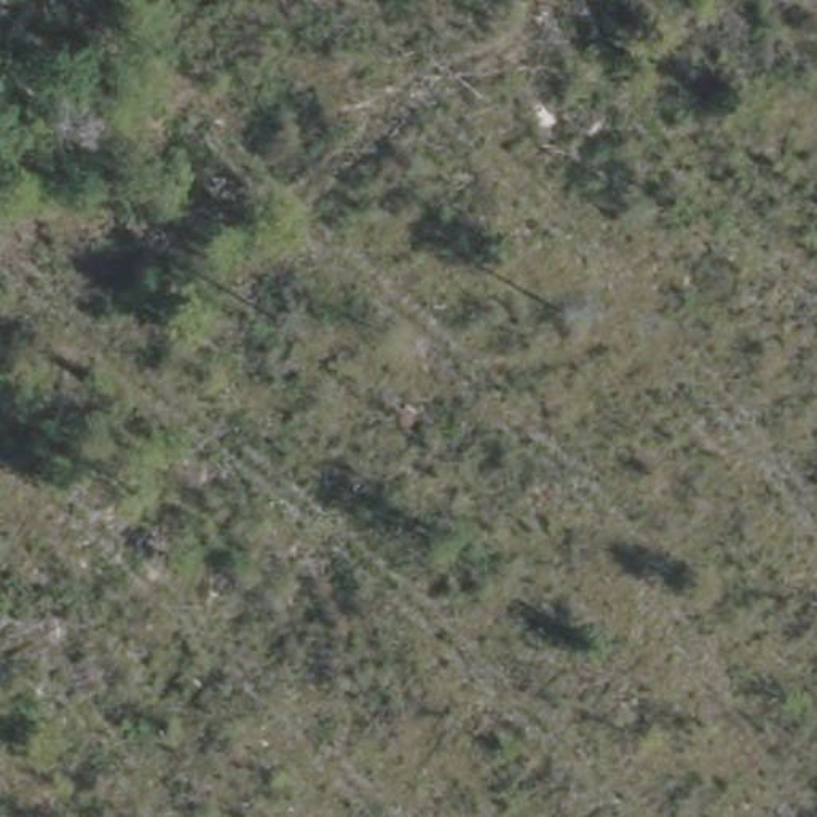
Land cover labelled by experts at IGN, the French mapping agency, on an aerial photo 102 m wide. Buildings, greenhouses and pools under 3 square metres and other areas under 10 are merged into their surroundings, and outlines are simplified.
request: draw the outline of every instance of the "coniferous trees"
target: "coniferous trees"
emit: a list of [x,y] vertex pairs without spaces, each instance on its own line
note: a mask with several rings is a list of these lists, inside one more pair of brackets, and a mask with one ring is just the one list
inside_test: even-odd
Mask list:
[[176,156],[176,150],[182,150],[188,156],[188,166],[211,150],[223,166],[230,166],[243,179],[255,214],[268,211],[271,198],[284,198],[287,207],[300,204],[306,211],[306,249],[290,252],[274,265],[262,265],[255,255],[249,262],[236,259],[230,268],[217,268],[211,252],[201,252],[195,259],[195,281],[172,284],[169,294],[182,294],[185,303],[207,297],[207,313],[214,313],[217,322],[201,345],[188,345],[169,335],[169,354],[163,367],[153,370],[134,364],[137,351],[147,345],[147,332],[134,316],[115,313],[96,319],[77,310],[86,278],[73,268],[73,255],[86,249],[102,249],[112,230],[112,211],[102,207],[105,188],[80,195],[70,207],[48,201],[26,223],[6,223],[0,217],[0,380],[19,386],[16,393],[22,399],[35,396],[45,405],[51,399],[93,402],[96,415],[109,418],[115,444],[112,456],[102,460],[105,469],[96,469],[89,479],[80,479],[70,488],[29,482],[16,472],[0,476],[0,817],[817,817],[817,0],[191,0],[191,10],[179,22],[172,22],[176,45],[182,51],[172,96],[153,115],[134,112],[128,144],[140,147],[140,160],[150,163],[160,156]]
[[102,29],[118,35],[131,26],[128,19],[137,3],[172,6],[176,0],[0,0],[0,73],[16,67],[26,70],[38,61],[64,61],[73,54],[86,54],[96,45],[102,45]]

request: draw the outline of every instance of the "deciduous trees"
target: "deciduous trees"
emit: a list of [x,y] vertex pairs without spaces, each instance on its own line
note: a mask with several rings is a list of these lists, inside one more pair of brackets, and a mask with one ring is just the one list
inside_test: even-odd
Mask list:
[[105,469],[102,460],[112,456],[115,444],[109,418],[96,415],[93,402],[51,399],[45,405],[35,396],[22,399],[16,393],[19,386],[0,380],[0,476],[16,472],[29,482],[70,488],[80,479],[89,479],[96,469]]
[[195,281],[195,259],[201,252],[211,252],[217,268],[230,268],[236,259],[249,262],[255,255],[262,265],[274,265],[290,252],[306,249],[306,211],[300,204],[287,207],[284,198],[271,198],[268,211],[255,214],[243,179],[230,166],[223,166],[211,150],[188,166],[188,156],[182,150],[176,150],[176,156],[160,156],[150,163],[140,160],[140,147],[128,144],[134,112],[153,115],[172,96],[182,51],[176,45],[172,22],[179,22],[191,10],[191,0],[176,0],[172,6],[137,3],[128,19],[131,26],[118,35],[102,29],[102,45],[96,45],[86,54],[73,54],[64,61],[38,61],[26,70],[16,67],[0,73],[0,217],[6,223],[26,223],[48,201],[70,207],[80,195],[105,188],[102,207],[112,211],[112,230],[102,249],[86,249],[73,255],[73,268],[86,278],[77,310],[96,319],[115,313],[134,316],[147,332],[147,345],[137,351],[134,364],[153,370],[163,367],[169,354],[169,335],[188,345],[201,345],[217,322],[214,313],[207,313],[207,297],[185,303],[182,294],[169,294],[172,284]]

